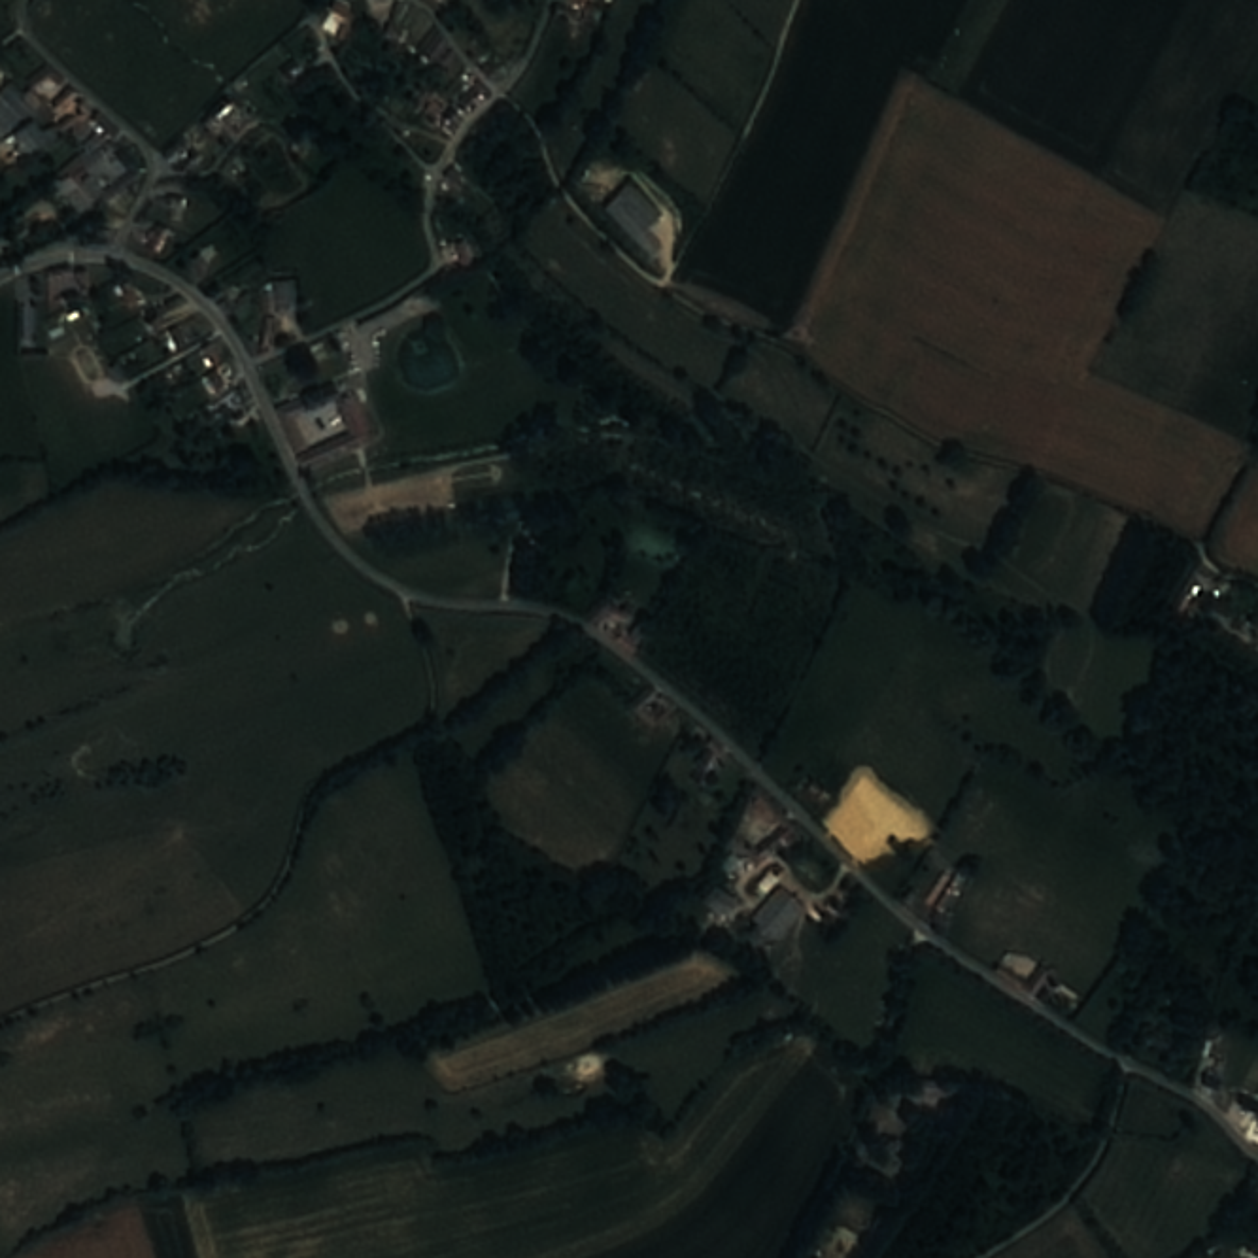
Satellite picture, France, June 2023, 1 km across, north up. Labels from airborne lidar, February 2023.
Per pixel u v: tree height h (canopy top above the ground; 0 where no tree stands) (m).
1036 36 0
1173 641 18
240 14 0
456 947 0
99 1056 0
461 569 0
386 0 0
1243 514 0
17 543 0
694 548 25
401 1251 0
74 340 0
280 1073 15
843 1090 0
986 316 0
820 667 0
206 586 0
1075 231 0
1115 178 0
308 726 0
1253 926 13
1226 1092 0
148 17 0
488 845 11
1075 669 0
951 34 0
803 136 0
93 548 0
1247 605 0
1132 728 14
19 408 0
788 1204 0
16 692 0
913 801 0
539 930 12
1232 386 0
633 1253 0
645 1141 0
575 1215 0
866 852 0
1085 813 0
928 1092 0
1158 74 0
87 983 0
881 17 0
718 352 0
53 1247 0
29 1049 0
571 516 28
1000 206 0
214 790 0
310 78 11
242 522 0
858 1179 25
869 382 0
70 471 0
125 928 0
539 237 0
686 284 0
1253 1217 20
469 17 10
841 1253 0
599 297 0
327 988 0
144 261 0
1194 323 0
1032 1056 0
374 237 0
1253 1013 0
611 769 0
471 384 0
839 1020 0
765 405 0
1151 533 17
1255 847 31
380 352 0
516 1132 12
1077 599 0
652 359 9
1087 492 0
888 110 0
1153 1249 0
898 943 0
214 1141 0
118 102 0
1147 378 0
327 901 0
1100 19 0
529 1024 0
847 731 0
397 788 0
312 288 0
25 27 0
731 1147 0
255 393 0
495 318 15
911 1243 14
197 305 0
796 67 0
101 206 9
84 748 0
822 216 0
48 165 8
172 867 0
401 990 0
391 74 6
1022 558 0
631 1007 0
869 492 0
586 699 0
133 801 0
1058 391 0
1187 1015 22
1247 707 24
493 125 13
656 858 14
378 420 0
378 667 0
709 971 0
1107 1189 0
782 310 0
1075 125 0
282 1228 0
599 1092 0
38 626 0
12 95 0
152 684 0
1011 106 0
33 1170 0
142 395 6
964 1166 19
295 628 0
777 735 9
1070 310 0
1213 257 0
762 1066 0
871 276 0
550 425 32
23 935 0
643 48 19
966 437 0
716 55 0
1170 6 0
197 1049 0
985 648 17
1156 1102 0
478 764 9
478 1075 0
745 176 0
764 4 0
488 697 10
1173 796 25
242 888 0
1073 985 0
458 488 0
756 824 0
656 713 12
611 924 7
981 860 6
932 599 21
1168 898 30
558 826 0
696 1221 0
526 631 0
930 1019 0
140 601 0
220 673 0
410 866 0
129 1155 0
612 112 9
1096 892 0
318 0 14
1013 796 0
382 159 0
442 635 0
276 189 0
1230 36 0
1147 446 0
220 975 0
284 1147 0
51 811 0
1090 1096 0
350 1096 0
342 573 0
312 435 0
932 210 0
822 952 0
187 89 0
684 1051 0
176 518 0
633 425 30
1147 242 0
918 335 0
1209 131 0
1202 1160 0
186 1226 0
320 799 8
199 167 12
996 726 0
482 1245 0
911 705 0
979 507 0
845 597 7
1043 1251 0
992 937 0
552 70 0
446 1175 0
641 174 0
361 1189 0
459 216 7
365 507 0
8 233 7
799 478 8
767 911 0
